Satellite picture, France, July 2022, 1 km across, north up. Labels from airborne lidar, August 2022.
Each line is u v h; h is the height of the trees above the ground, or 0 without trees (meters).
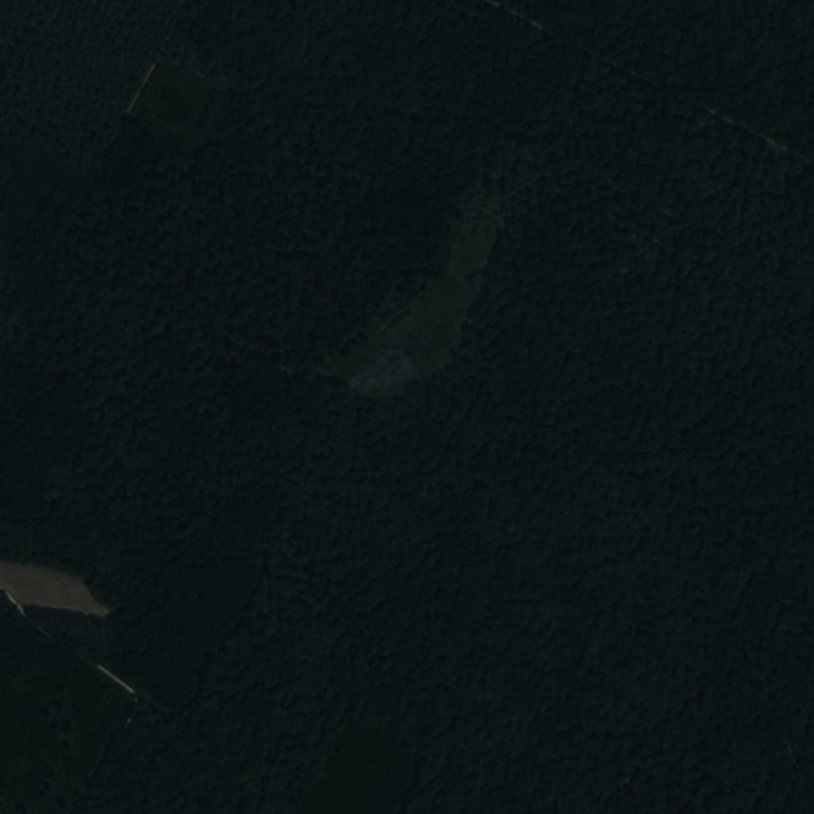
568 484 24
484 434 21
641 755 16
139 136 24
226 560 8
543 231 26
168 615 9
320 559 16
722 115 19
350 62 22
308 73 22
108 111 27
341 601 24
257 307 23
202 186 22
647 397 24
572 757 18
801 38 22
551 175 21
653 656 23
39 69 26
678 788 26
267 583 9
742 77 18
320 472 21
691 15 21
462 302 0
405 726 19
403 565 24
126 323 23
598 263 25
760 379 24
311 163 22
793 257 24
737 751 26
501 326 24
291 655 20
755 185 12
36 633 18
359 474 21
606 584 23
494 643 22
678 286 21
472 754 20
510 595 21
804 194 21
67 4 24
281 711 20
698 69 22
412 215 27
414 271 24
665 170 21
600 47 15
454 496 20
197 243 24
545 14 20
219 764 22
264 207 28
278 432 22
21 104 26
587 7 23
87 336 25
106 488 25
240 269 22
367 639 22
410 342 0
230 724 19
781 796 25
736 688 28
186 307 23
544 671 27
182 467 24
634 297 26
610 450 26
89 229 18
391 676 23
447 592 28
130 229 20
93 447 24
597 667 24
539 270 24
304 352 24
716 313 19
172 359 25
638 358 28
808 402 23
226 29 24
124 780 26
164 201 28
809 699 26
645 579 29
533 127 22
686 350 20
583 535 21
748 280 22
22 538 21
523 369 27
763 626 29
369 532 24
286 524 17
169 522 25
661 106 7
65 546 20
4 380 25
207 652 9
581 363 21
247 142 23
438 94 26
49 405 22
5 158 17
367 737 7
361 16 19
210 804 25
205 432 26
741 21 27
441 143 23
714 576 24
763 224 23
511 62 19
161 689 9
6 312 26
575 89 22
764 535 27
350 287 21
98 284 27
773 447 27
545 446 23
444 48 22
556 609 19
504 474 23
